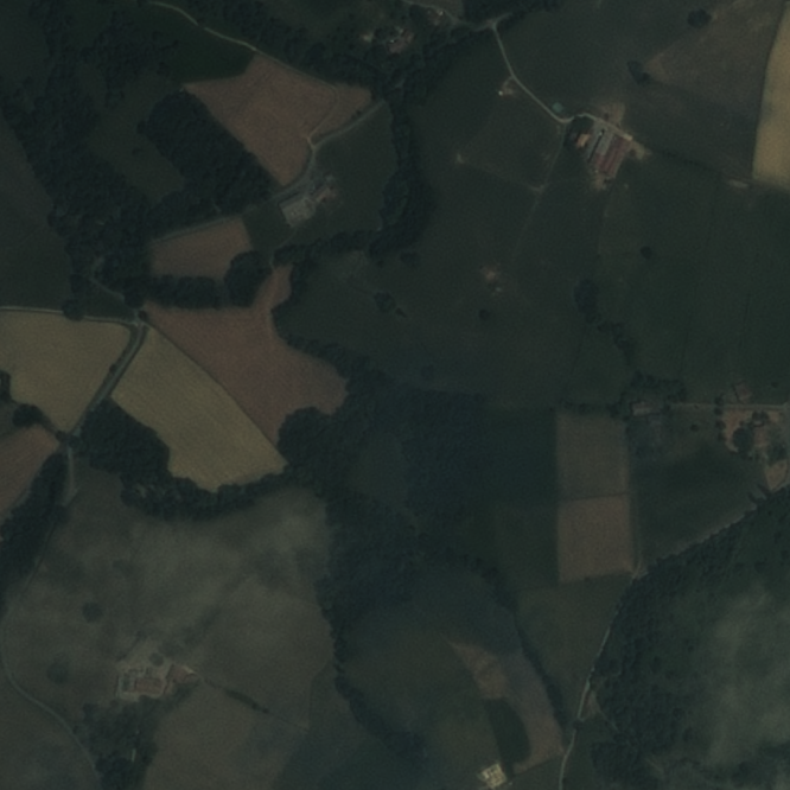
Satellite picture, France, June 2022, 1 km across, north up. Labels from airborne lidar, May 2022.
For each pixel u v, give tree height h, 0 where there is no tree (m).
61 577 0
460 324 0
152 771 0
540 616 0
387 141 0
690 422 0
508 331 0
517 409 0
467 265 0
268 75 0
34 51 0
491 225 0
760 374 0
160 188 0
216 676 0
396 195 25
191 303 22
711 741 0
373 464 0
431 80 21
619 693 7
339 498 21
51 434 0
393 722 0
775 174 0
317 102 0
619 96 0
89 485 0
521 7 19
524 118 0
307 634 0
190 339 0
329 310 0
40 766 0
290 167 0
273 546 0
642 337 0
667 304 0
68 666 14
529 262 0
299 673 0
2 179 0
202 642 0
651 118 0
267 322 0
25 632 0
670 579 9
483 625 0
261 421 0
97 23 0
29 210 0
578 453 0
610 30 0
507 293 0
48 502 8
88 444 17
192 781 0
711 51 0
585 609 0
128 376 0
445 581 0
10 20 0
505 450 0
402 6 14
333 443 19
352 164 0
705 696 16
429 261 0
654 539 0
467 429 18
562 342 0
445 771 0
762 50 0
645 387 19
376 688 0
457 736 0
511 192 0
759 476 0
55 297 0
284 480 12
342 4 0
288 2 0
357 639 0
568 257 0
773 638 0
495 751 0
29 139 15
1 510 0
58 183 21
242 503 19
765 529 0
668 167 0
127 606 0
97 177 16
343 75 16
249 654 0
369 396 19
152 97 0
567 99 0
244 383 0
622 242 0
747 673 0
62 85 19
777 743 0
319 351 12
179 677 0
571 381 0
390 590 17
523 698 0
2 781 0
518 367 0
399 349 0
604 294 0
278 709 0
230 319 0
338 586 23
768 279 0
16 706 0
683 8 0
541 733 0
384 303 27
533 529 0
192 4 8
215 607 0
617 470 0
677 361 0
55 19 20
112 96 12
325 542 0
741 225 0
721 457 0
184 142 23
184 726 0
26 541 23
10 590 16
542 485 0
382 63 8
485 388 0
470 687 0
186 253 0
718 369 0
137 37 20
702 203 0
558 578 0
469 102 0
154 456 24
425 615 0
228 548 0
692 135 0
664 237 0
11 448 0
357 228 0
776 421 0
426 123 0
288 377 0
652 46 0
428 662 0
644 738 16
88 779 0
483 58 0
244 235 0
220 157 24
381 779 0
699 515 0
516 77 0
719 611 0
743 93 0
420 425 12
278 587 0
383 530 18
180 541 0
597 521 0
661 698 12
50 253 0
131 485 17
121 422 15
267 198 19
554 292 0
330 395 0
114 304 0
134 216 17
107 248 18
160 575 0
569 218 0
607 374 0
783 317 0
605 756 20
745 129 0
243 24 13
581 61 0
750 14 0
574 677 0
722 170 0
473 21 21
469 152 0
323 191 0
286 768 0
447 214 0
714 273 0
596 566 0
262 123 0
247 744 0
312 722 0
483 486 0
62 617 0
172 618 0
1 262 0
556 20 0
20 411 7
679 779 8
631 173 0
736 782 11
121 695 0
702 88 0
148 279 14
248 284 19
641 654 7
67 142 15
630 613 16
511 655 0
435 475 16
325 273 0
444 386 0
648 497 0
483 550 0
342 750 0
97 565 0
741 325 0
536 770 0
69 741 0
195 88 0
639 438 0
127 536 0
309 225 0
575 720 0
